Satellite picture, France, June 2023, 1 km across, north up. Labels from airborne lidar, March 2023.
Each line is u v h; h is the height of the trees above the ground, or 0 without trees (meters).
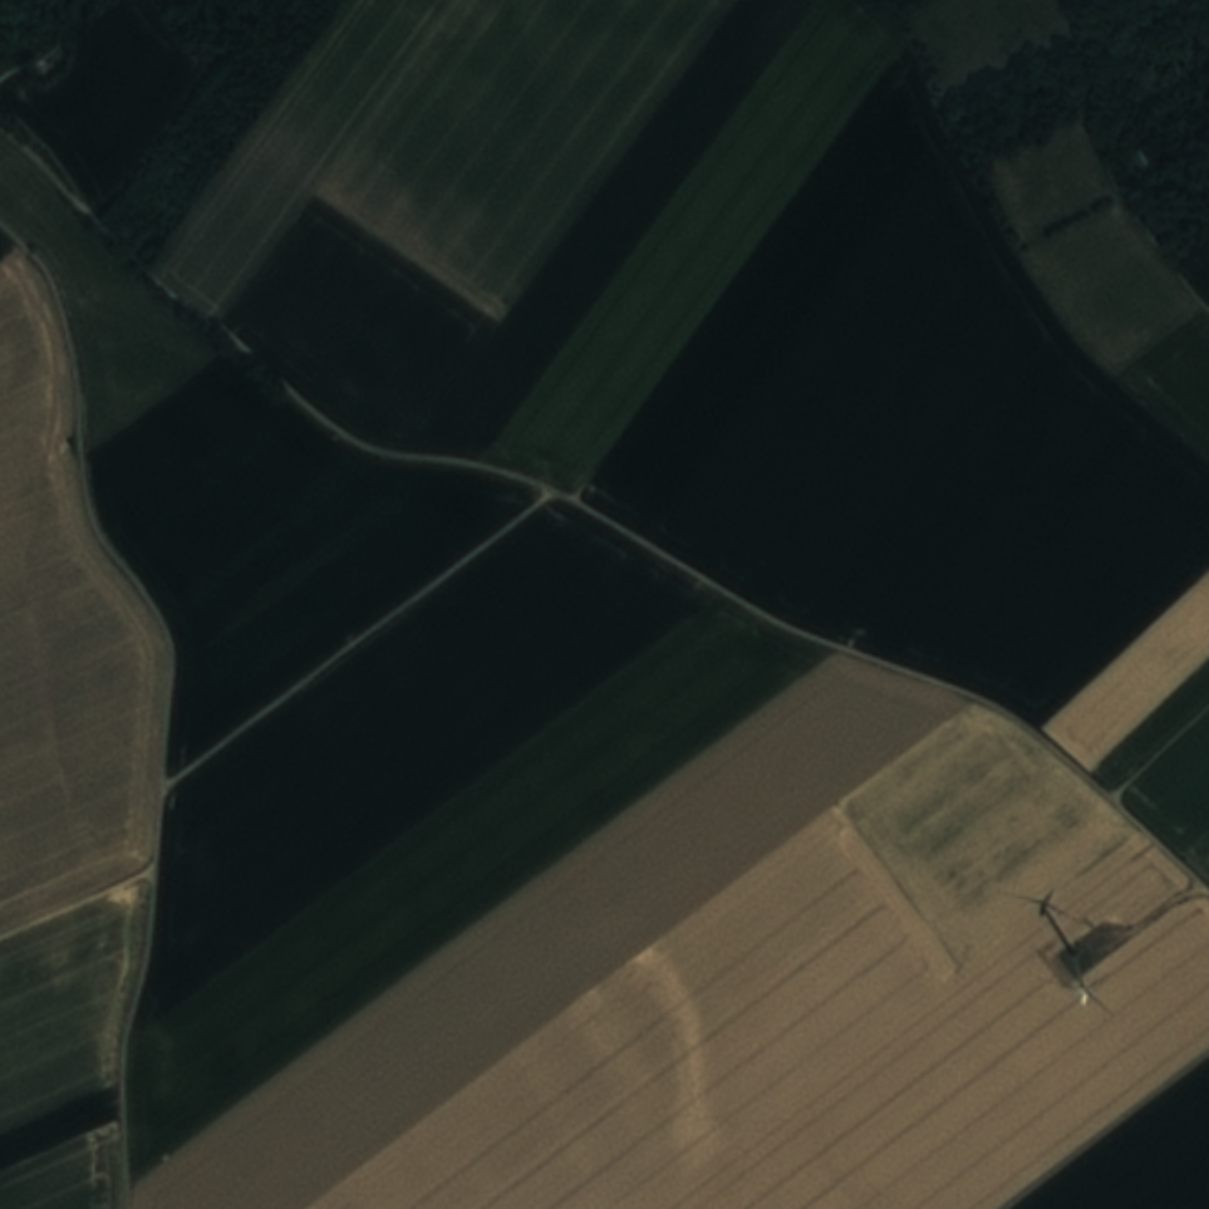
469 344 0
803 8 0
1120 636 0
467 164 0
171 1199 0
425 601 0
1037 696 0
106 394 0
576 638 0
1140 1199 0
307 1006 0
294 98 0
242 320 0
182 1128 0
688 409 0
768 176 0
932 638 0
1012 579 0
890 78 0
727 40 0
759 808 0
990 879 0
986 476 0
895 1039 0
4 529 0
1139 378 0
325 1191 0
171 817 0
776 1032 0
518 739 0
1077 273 0
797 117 0
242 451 0
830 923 0
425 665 0
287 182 0
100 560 0
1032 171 0
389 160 0
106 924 0
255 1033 0
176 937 0
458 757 0
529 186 0
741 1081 0
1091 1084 0
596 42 0
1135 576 0
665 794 0
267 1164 0
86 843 0
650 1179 0
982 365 0
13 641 0
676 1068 0
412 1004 0
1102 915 0
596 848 0
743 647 0
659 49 0
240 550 0
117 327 0
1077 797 0
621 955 0
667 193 0
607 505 0
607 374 0
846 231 0
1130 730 0
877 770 0
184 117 9
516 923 0
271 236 0
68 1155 0
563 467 0
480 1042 0
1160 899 0
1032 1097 0
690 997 0
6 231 0
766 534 0
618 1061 0
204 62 0
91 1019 0
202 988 0
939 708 0
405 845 0
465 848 0
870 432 0
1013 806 0
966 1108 0
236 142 8
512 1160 0
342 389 0
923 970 0
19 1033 0
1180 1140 0
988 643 0
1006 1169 0
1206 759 0
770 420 0
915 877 0
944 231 0
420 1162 0
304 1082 0
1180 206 14
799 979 0
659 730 0
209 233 0
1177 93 23
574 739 0
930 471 0
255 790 0
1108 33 20
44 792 0
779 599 0
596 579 0
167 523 0
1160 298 0
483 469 0
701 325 0
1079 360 0
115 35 0
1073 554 0
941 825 0
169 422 0
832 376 0
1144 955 0
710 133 0
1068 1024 0
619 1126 0
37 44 12
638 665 0
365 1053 0
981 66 0
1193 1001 0
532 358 0
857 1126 0
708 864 0
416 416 0
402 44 0
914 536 0
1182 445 0
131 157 0
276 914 0
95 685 0
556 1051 0
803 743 0
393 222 0
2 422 0
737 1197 0
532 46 0
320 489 0
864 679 0
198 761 0
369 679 0
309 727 0
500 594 0
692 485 0
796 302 0
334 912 0
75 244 0
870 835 0
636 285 0
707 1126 0
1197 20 27
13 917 0
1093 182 0
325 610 0
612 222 0
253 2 17
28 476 0
